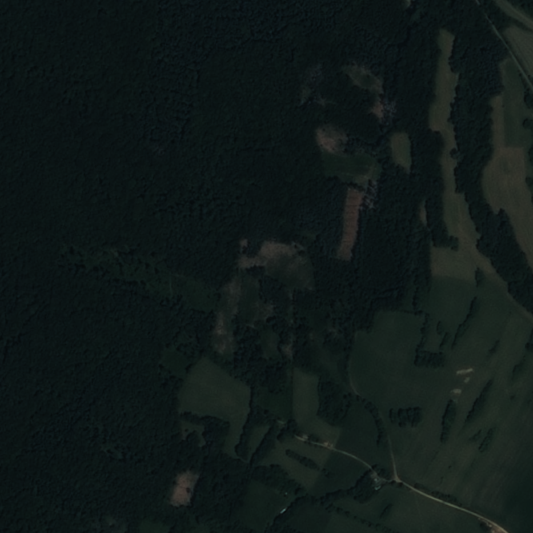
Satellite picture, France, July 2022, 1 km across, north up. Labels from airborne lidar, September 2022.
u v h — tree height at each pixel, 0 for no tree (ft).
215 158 66
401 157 0
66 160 80
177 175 68
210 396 0
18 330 77
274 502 0
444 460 0
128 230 79
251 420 47
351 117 38
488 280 0
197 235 59
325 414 42
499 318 0
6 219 66
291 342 63
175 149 75
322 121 75
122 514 35
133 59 68
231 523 60
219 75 66
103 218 83
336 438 0
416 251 57
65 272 73
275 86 57
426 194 68
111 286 69
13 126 72
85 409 46
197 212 58
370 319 38
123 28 74
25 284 97
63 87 83
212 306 0
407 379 0
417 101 68
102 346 66
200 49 72
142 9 76
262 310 0
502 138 0
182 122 66
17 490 49
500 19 65
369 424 0
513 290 53
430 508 0
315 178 79
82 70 81
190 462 37
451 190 0
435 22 50
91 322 79
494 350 20
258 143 62
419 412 50
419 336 0
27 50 80
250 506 0
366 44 54
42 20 86
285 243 59
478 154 63
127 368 49
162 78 62
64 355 74
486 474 0
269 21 80
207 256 51
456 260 0
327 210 71
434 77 49
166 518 48
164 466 58
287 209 66
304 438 0
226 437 51
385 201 65
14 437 65
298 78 67
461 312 0
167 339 65
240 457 36
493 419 0
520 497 0
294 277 0
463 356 0
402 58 67
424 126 63
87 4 94
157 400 56
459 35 72
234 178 80
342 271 29
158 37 79
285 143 70
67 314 93
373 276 39
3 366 93
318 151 86
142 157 90
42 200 63
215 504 33
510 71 0
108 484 49
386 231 27
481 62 53
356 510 0
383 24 41
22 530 62
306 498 46
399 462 0
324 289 26
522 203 0
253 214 54
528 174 0
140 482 53
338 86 93
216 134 50
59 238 67
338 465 0
